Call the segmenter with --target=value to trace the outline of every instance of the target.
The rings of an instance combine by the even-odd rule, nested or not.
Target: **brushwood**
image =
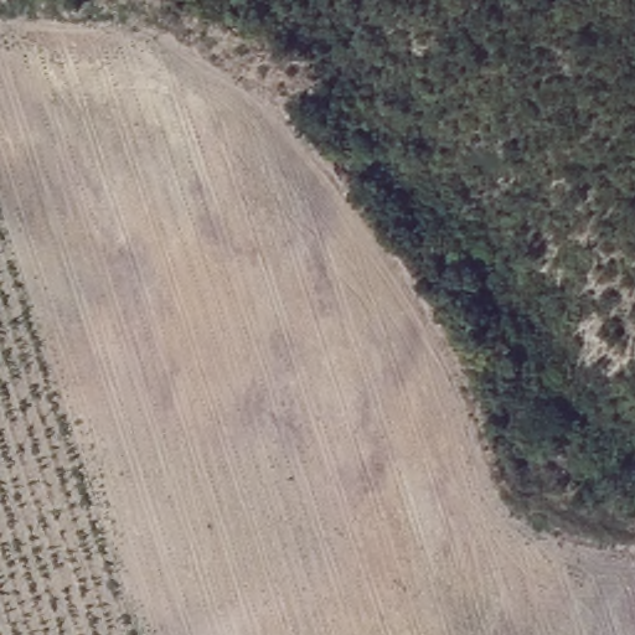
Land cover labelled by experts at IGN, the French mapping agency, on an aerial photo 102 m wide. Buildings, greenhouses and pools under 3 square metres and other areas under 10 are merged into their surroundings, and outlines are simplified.
[[[164,30],[189,47],[201,47],[201,55],[243,89],[265,94],[273,107],[285,107],[298,136],[310,141],[327,161],[332,161],[335,171],[345,176],[350,191],[347,201],[352,203],[352,208],[362,213],[367,226],[375,231],[377,243],[407,263],[409,273],[414,275],[417,293],[429,300],[434,320],[446,330],[451,347],[459,352],[464,372],[474,384],[474,397],[479,397],[481,412],[486,417],[484,432],[494,451],[491,479],[496,481],[501,501],[511,508],[511,516],[523,518],[533,531],[553,536],[558,546],[563,546],[568,538],[578,546],[598,548],[615,543],[635,543],[635,0],[0,0],[0,17],[32,20],[57,20],[72,25],[114,22],[122,25],[124,32],[139,32],[146,25]]]

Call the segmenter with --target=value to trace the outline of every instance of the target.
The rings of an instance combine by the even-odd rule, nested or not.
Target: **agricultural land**
[[[446,330],[434,320],[429,300],[417,293],[414,275],[409,273],[407,263],[377,243],[375,231],[367,226],[362,213],[352,208],[352,203],[347,201],[350,191],[345,176],[335,171],[332,161],[327,161],[310,141],[298,136],[285,107],[273,107],[265,94],[243,89],[201,55],[201,47],[189,47],[164,30],[146,25],[139,32],[124,32],[122,25],[114,22],[72,25],[57,20],[32,20],[32,47],[0,47],[0,216],[17,231],[17,236],[7,241],[15,253],[20,280],[27,288],[32,322],[42,337],[42,352],[50,365],[52,389],[60,392],[60,407],[67,414],[72,439],[77,449],[82,444],[97,444],[97,456],[104,456],[104,486],[107,499],[112,504],[112,516],[117,518],[117,526],[104,526],[104,536],[107,543],[119,551],[119,563],[114,566],[114,571],[122,590],[134,598],[131,618],[136,618],[139,635],[635,635],[635,543],[615,543],[598,548],[578,546],[568,538],[563,546],[558,546],[553,536],[533,531],[523,518],[511,516],[511,508],[501,501],[496,481],[491,479],[494,451],[484,432],[486,417],[481,412],[479,397],[474,397],[474,384],[464,372],[459,352],[451,347]]]

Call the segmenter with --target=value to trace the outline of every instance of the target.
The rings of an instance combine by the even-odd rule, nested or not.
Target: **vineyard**
[[[134,598],[122,590],[114,571],[114,566],[119,563],[119,551],[107,543],[104,536],[104,526],[117,526],[117,518],[112,516],[112,504],[107,499],[104,486],[104,456],[97,456],[97,444],[82,444],[77,449],[72,439],[67,414],[60,407],[60,392],[52,389],[50,365],[42,352],[42,337],[32,322],[27,288],[20,280],[15,253],[7,241],[17,236],[17,231],[0,216],[0,635],[139,635],[136,618],[131,618]]]
[[[32,47],[32,20],[0,17],[0,47]]]

